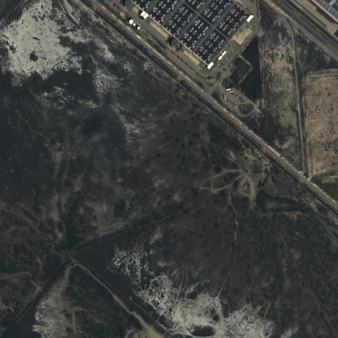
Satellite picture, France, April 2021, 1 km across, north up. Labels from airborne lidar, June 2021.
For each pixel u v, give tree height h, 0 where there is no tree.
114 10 0
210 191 0
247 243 0
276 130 0
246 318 0
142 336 0
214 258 0
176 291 0
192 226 0
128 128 0
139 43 0
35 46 0
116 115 0
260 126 0
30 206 0
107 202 0
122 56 0
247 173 0
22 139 0
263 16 0
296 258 0
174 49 0
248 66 0
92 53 0
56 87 0
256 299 0
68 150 0
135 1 0
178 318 0
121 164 0
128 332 0
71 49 0
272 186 0
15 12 0
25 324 0
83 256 0
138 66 0
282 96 0
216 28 0
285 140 0
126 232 0
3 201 0
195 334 0
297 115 0
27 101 0
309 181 0
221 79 0
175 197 0
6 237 0
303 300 0
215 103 0
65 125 0
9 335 7
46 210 0
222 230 0
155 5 0
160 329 0
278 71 0
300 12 0
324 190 0
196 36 0
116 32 0
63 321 0
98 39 0
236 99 0
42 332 0
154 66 0
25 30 0
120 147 0
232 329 0
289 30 0
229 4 0
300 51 0
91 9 0
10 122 0
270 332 0
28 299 0
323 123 0
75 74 0
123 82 0
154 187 0
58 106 0
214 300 0
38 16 0
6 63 0
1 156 0
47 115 0
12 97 0
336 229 0
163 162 0
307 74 0
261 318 0
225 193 6
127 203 0
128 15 0
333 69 0
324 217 0
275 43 0
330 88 0
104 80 0
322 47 0
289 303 0
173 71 0
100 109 0
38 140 0
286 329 0
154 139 0
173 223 0
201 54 0
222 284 0
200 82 0
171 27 0
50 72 0
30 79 0
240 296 0
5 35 0
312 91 0
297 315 0
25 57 0
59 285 0
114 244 0
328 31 0
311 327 0
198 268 0
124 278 0
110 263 0
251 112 0
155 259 0
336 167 0
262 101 0
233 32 0
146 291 0
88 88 0
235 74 0
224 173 0
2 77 0
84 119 0
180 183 0
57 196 0
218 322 0
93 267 0
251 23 0
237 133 0
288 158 0
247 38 0
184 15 0
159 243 0
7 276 0
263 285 0
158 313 0
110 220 0
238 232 0
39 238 0
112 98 0
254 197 0
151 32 0
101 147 0
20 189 0
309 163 0
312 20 0
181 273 0
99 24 0
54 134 0
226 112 0
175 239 0
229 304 0
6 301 6
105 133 0
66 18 0
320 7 0
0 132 0
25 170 0
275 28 0
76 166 0
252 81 0
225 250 0
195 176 8
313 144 0
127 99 0
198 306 0
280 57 0
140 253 0
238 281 0
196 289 0
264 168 0
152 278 0
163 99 0
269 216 0
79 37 0
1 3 0
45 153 0
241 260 0
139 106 0
